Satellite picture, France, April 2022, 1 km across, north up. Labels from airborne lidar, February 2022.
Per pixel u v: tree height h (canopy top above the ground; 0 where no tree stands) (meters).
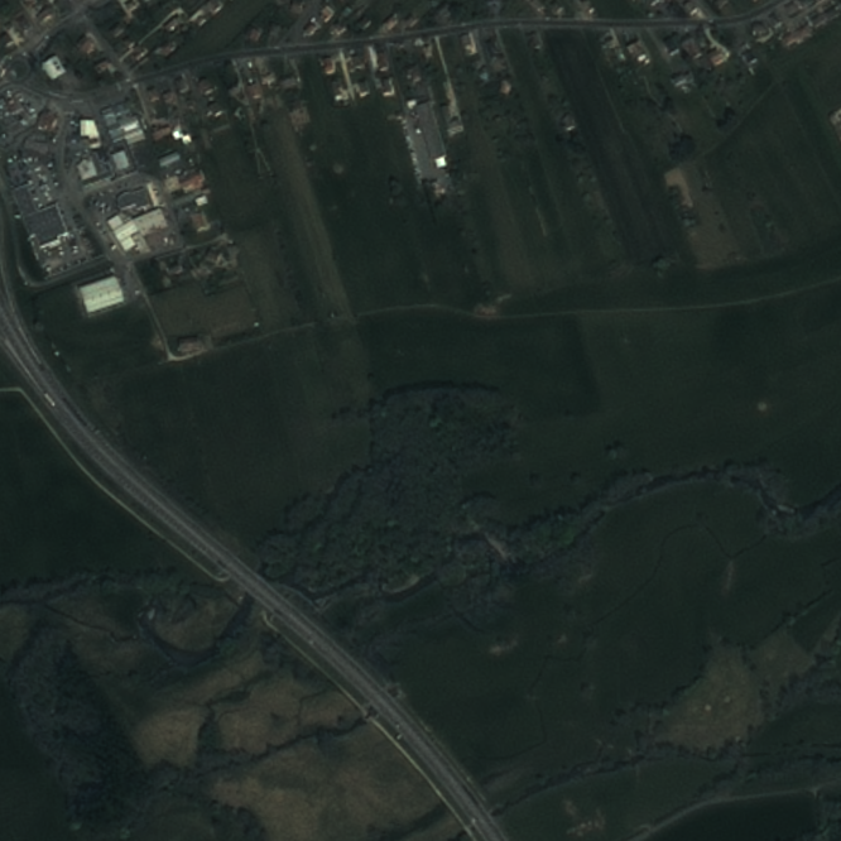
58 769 18
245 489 0
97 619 0
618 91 0
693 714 0
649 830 0
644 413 0
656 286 0
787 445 0
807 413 0
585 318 0
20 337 0
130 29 6
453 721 0
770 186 0
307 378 0
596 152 0
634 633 0
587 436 0
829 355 0
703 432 0
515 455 15
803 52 0
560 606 0
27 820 0
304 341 0
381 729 0
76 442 0
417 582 0
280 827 0
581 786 0
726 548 0
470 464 19
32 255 0
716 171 0
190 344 0
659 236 0
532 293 0
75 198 0
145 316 0
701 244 0
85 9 0
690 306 0
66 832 0
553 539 7
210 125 0
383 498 24
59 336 0
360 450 0
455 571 25
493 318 0
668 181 0
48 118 0
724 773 0
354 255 0
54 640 27
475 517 20
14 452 0
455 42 0
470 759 0
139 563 0
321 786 0
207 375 0
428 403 24
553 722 0
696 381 0
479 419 0
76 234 0
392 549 7
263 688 0
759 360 0
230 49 0
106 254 0
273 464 0
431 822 0
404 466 23
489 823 0
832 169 0
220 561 0
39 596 12
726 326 0
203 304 0
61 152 0
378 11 0
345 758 0
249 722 0
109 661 0
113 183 0
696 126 0
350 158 0
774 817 0
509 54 0
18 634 0
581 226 0
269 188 0
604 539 0
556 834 0
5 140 0
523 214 0
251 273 0
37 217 0
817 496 0
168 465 0
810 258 0
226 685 0
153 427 0
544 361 0
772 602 0
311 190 0
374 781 0
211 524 0
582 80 0
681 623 0
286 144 0
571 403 0
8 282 0
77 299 0
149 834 0
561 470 0
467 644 0
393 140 0
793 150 0
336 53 0
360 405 0
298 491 0
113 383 0
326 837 0
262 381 0
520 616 0
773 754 0
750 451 0
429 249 0
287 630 0
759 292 0
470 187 0
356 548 14
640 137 0
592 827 0
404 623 0
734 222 0
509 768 0
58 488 0
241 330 0
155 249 0
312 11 0
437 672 0
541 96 0
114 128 0
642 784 0
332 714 0
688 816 0
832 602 0
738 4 0
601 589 0
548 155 0
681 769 0
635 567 0
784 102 0
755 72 0
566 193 0
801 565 0
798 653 0
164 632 0
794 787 0
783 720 0
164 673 0
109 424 0
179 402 0
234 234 0
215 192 0
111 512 0
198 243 0
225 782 0
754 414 0
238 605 0
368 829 0
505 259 0
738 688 0
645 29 0
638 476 13
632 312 0
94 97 0
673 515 0
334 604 0
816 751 0
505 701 0
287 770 0
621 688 0
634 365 0
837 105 0
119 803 0
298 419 0
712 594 0
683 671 0
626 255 0
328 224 0
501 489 0
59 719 22
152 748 0
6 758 0
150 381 0
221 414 0
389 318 0
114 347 0
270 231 0
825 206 0
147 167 0
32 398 0
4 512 0
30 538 0
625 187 0
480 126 0
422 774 0
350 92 0
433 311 0
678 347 0
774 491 19
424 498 26
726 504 0
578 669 0
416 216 0
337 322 0
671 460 0
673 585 0
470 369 0
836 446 0
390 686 0
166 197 0
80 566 0
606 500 10
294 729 0
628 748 0
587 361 0
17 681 19
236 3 0
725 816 0
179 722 0
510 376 0
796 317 0
